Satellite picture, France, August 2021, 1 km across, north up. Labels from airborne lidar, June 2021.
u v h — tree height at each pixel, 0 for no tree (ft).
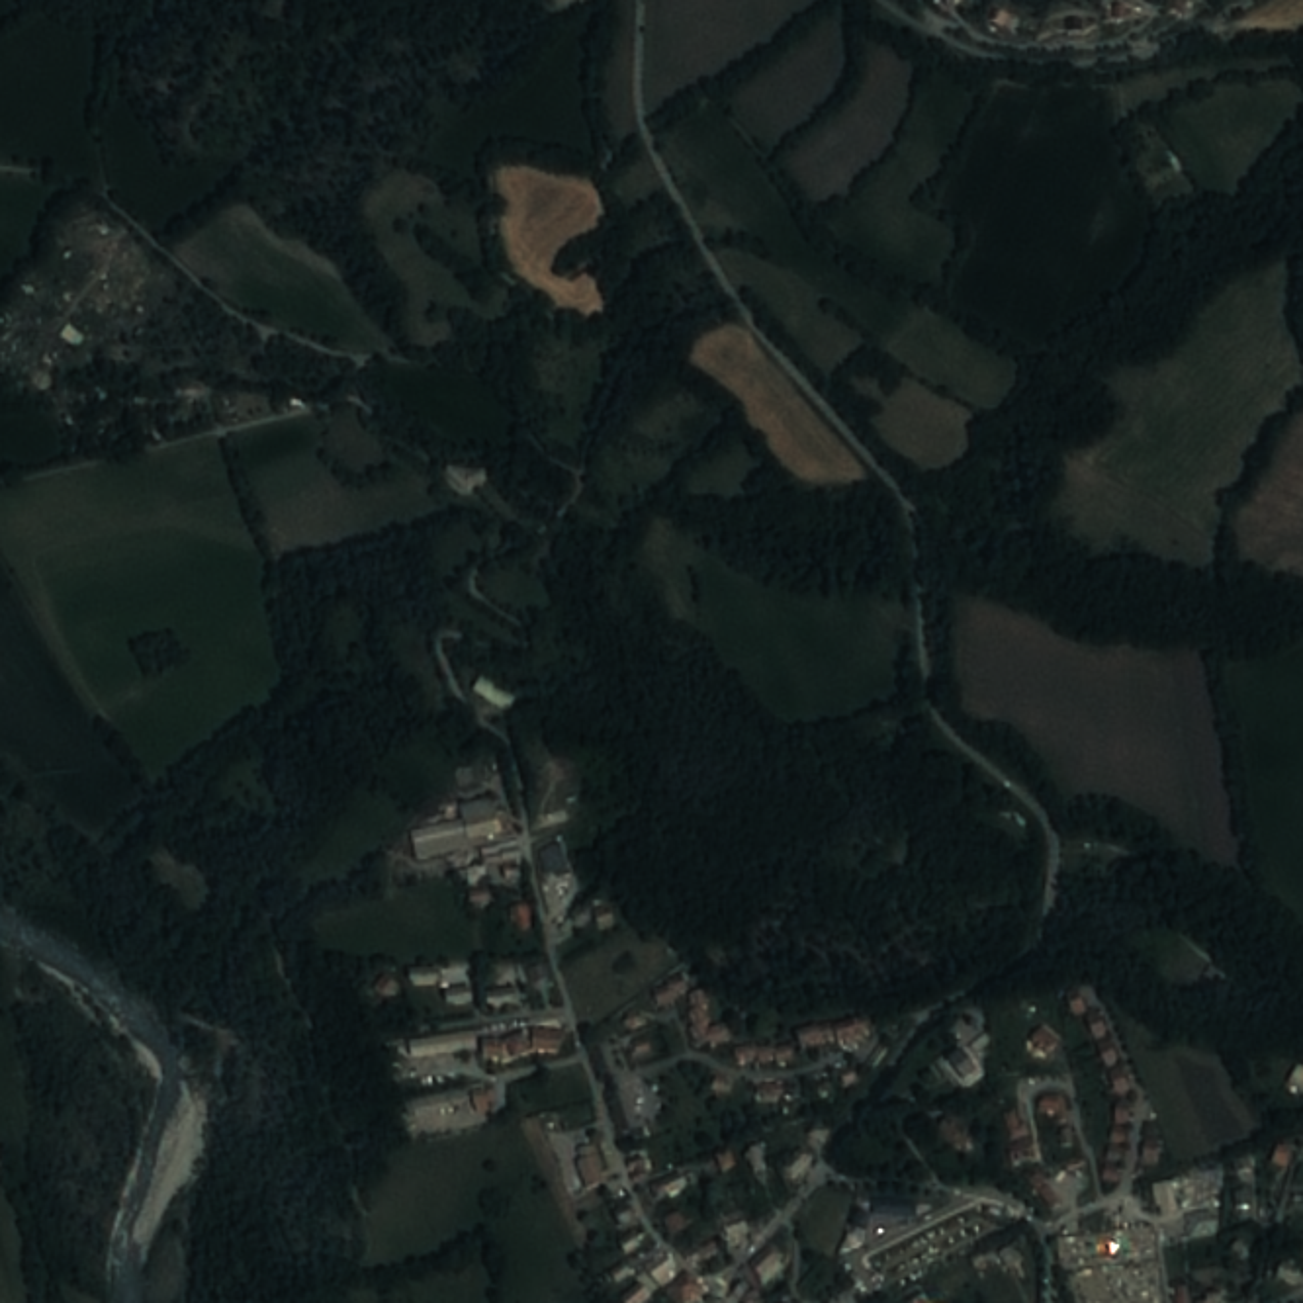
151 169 0
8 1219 0
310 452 0
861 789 45
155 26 65
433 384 0
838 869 47
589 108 40
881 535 99
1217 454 0
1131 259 0
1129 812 44
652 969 0
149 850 51
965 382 0
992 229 0
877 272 45
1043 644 0
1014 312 0
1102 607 80
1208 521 0
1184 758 0
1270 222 86
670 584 0
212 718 0
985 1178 23
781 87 0
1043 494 57
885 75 0
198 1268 42
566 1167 0
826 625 0
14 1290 0
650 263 61
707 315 50
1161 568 73
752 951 82
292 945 51
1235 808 28
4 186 0
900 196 0
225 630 0
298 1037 22
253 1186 22
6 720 0
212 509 0
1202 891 91
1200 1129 0
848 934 54
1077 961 92
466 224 0
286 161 55
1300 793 0
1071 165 0
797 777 52
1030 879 63
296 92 80
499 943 0
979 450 46
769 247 25
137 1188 0
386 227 0
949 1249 0
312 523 0
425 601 51
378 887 31
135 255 0
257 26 60
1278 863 0
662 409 0
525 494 34
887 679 0
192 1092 0
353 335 0
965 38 30
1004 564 66
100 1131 29
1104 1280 0
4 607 0
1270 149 24
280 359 21
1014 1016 0
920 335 0
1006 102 0
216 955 48
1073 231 0
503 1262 49
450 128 0
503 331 70
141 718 0
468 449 38
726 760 48
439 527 63
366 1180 41
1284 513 0
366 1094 61
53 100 0
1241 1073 58
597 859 57
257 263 0
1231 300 0
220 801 22
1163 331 91
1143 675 0
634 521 52
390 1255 0
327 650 50
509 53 72
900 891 66
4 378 23
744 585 0
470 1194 0
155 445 22
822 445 0
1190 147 0
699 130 0
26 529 0
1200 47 44
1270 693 0
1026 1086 0
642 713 62
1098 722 0
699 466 46
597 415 40
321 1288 50
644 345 72
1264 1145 44
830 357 0
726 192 0
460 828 0
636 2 0
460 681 22
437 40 83
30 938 0
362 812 0
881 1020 51
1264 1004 57
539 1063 22
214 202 47
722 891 87
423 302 0
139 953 57
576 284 0
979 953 32
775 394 0
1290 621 65
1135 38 25
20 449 0
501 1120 41
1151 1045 0
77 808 0
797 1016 49
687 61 0
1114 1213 0
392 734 47
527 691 33
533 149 36
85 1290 28
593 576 67
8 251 0
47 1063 53
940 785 67
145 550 0
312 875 0
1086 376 81
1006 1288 0
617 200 46
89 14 64
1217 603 93
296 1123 38
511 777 39
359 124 66
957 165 41
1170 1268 0
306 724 47
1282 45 49
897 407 0
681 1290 0
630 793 35
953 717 67
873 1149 0
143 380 59
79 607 0
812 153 0
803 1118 28
